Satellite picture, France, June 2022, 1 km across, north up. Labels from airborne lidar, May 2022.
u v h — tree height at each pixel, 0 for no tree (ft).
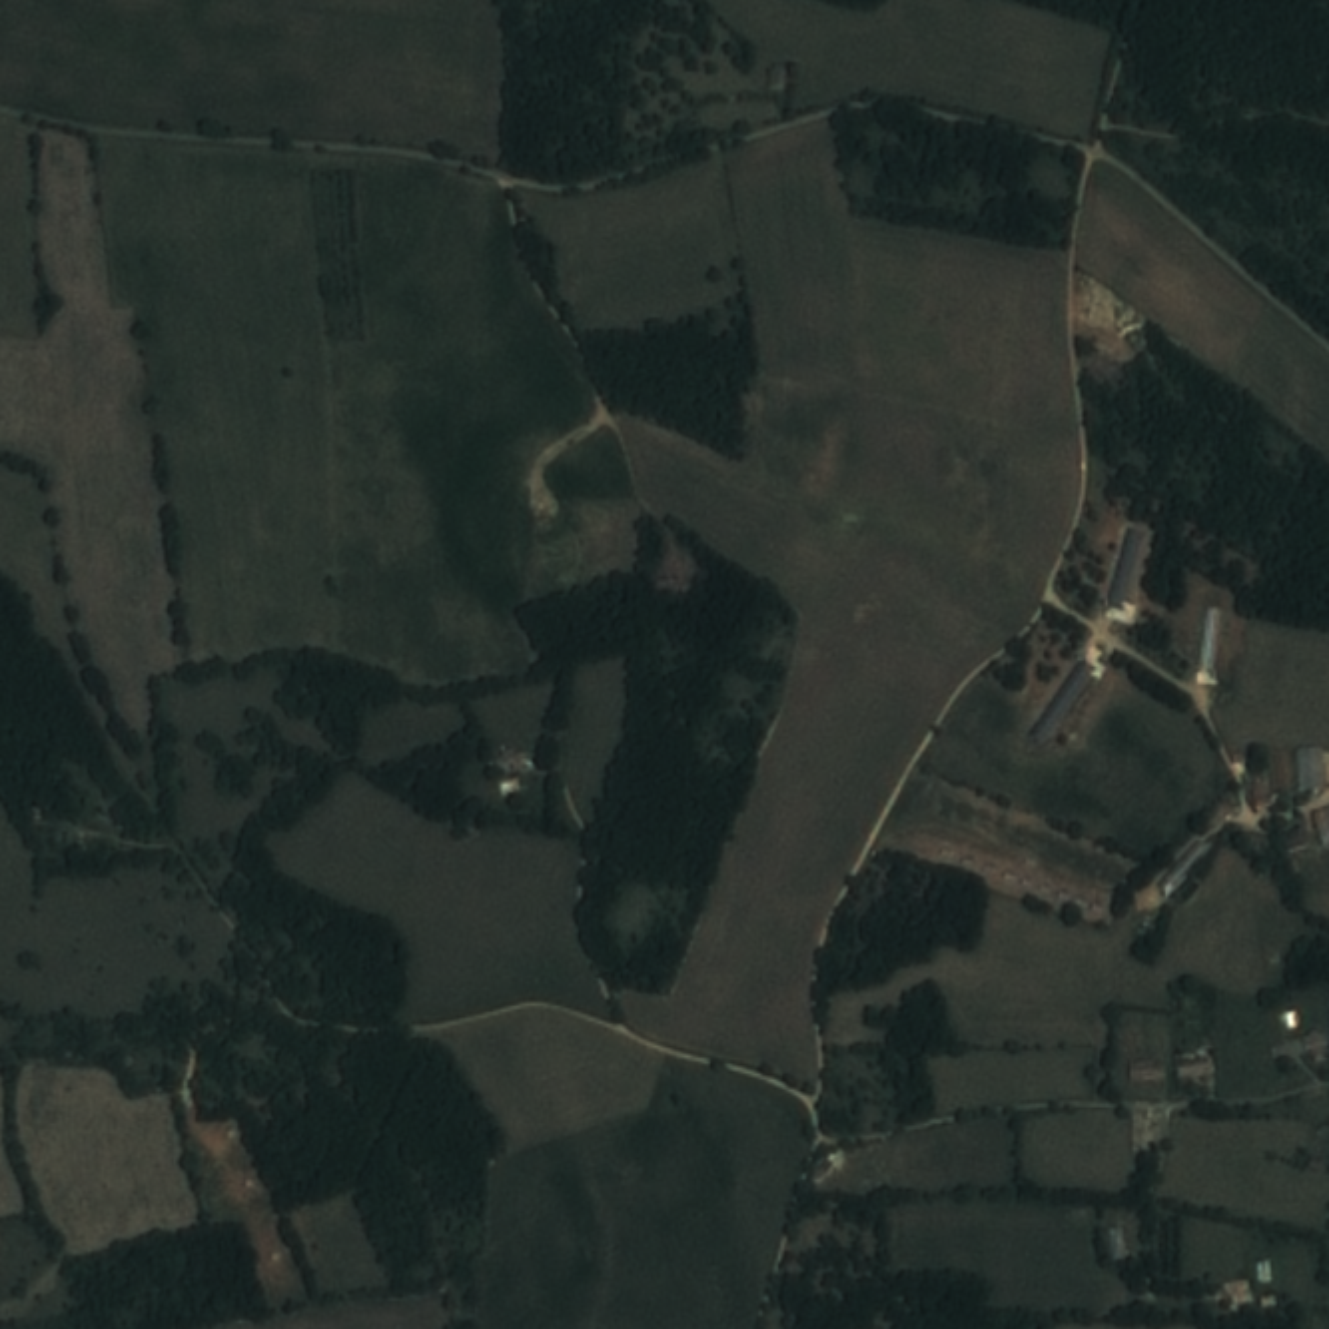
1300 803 22
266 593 0
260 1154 35
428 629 0
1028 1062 0
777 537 0
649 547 24
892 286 0
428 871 0
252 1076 27
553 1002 0
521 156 32
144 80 0
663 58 27
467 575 0
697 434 27
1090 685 0
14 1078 30
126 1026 31
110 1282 24
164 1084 25
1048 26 0
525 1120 0
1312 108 37
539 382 0
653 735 31
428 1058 31
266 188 0
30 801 35
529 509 0
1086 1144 0
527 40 33
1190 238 0
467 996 0
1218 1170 0
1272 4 27
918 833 0
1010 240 39
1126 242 0
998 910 0
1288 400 0
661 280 0
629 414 32
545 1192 0
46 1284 0
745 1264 0
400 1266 31
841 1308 35
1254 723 0
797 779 0
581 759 0
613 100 31
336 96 0
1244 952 0
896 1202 33
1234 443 42
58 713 38
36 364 0
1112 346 0
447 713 0
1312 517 42
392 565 0
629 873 26
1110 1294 0
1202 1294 41
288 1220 19
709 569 20
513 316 0
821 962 39
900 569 0
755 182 0
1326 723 0
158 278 0
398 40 0
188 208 0
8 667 54
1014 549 0
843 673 0
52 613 0
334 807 0
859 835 0
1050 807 0
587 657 38
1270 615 29
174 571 31
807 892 0
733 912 0
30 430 0
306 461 0
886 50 0
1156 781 0
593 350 40
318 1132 45
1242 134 18
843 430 0
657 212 0
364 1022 38
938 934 44
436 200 0
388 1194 31
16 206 0
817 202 0
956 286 0
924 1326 40
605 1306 0
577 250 0
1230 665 0
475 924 0
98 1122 0
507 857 0
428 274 0
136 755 23
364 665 39
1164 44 40
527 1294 0
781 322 0
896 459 0
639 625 42
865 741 0
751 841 0
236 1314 18
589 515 0
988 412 0
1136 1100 0
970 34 0
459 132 0
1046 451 0
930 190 31
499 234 0
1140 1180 37
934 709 0
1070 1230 0
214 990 35
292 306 0
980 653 0
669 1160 0
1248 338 0
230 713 0
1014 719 0
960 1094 0
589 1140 0
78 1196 0
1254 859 25
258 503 0
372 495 0
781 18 0
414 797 41
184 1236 34
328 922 30
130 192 0
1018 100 0
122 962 0
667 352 38
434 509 0
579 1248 0
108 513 0
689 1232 0
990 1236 0
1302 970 31
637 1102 0
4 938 0
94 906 0
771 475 0
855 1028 0
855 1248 31
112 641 0
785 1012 0
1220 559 27
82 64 0
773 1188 0
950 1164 0
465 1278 19
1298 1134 0
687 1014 0
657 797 44
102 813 40
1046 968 0
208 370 0
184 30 0
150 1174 0
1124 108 22
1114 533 0
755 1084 0
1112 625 0
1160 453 43
